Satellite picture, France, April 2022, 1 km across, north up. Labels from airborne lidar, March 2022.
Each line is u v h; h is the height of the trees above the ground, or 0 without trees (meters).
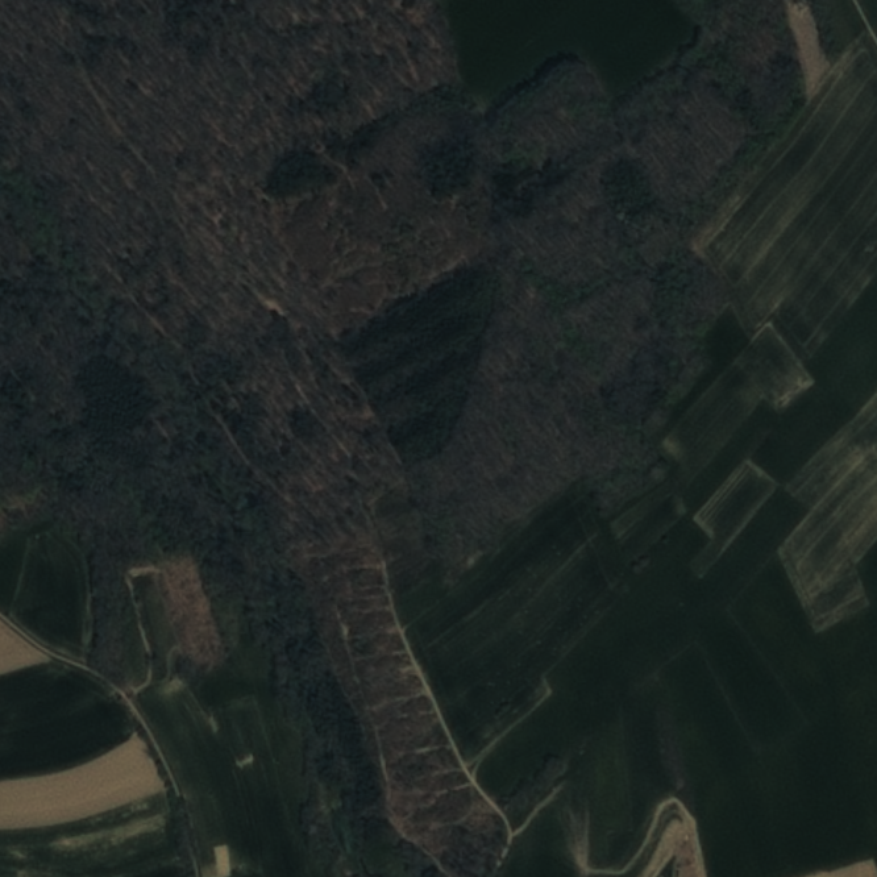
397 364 15
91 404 20
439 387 15
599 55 0
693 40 0
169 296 20
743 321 0
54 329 27
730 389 0
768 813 0
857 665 0
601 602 0
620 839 0
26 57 29
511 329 27
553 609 0
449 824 0
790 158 0
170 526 23
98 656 19
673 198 32
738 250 0
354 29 28
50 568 0
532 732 0
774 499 0
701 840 0
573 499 0
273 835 0
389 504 0
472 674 0
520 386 27
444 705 0
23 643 0
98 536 28
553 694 0
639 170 25
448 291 17
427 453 20
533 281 27
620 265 31
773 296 0
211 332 20
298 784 0
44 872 0
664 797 0
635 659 0
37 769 0
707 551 0
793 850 0
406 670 0
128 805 0
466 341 16
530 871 0
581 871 0
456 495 22
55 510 17
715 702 0
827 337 0
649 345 30
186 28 27
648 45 0
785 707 0
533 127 35
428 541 0
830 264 0
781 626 0
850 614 0
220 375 29
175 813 10
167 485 29
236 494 26
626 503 15
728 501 0
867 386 0
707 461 0
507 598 0
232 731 0
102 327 35
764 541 0
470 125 18
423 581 0
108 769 0
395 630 0
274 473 27
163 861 0
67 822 0
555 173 20
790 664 0
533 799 23
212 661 25
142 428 25
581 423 30
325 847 20
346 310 6
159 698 0
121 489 25
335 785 22
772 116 28
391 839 19
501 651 0
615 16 0
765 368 0
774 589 0
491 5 0
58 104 28
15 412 29
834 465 0
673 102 23
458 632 0
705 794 0
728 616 0
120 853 0
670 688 0
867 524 0
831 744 0
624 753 0
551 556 0
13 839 0
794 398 0
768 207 0
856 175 0
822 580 0
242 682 0
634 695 0
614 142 32
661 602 0
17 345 29
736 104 21
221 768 0
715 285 28
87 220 24
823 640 0
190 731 0
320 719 29
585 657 0
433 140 23
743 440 0
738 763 0
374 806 19
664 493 0
